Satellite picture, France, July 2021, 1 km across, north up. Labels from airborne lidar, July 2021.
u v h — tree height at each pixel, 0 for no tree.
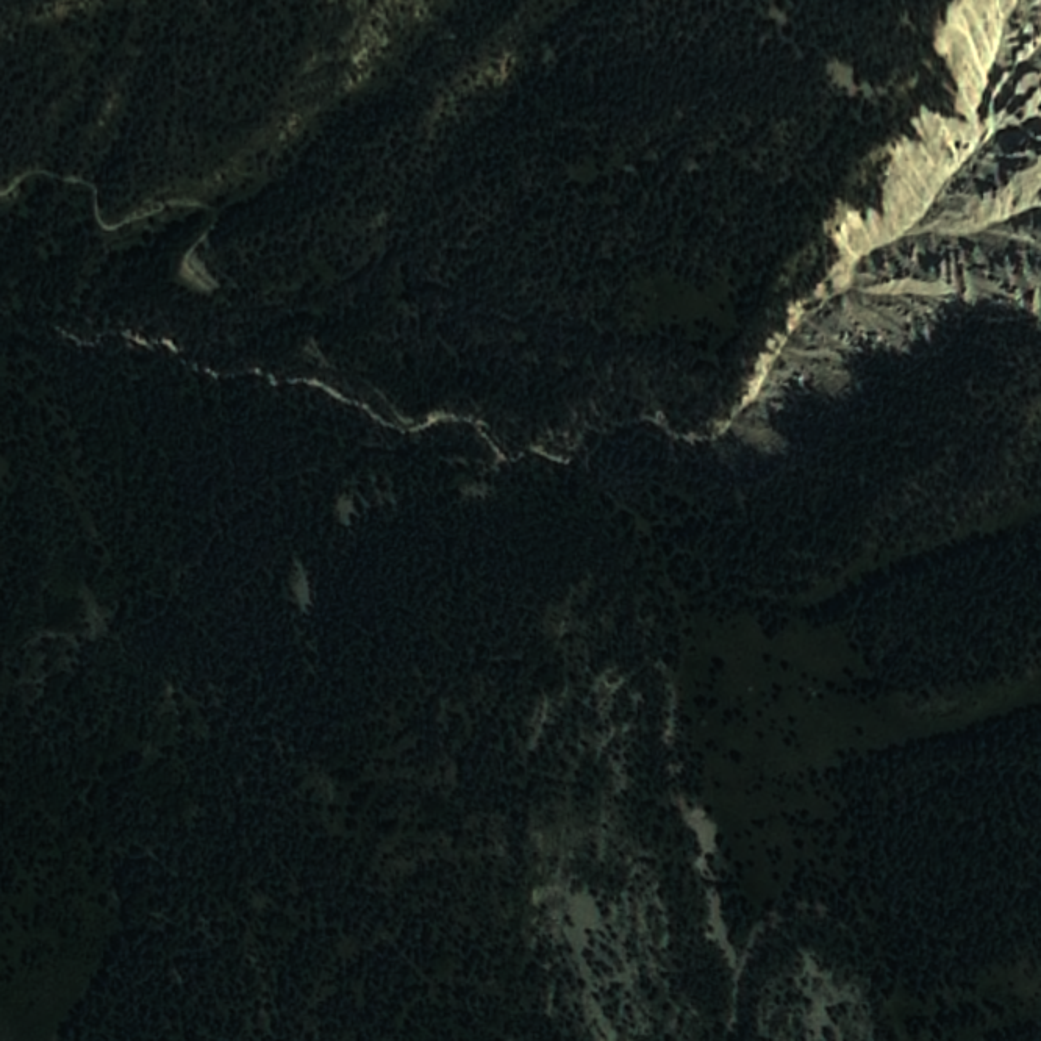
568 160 11
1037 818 21
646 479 18
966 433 16
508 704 9
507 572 13
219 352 17
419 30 7
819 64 16
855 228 0
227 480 16
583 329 17
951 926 22
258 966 7
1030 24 0
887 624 16
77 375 16
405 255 20
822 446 14
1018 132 0
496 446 11
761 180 16
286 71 6
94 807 17
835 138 17
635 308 7
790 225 13
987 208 0
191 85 14
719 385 18
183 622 13
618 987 10
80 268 13
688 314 0
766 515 14
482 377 19
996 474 14
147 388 15
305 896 12
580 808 7
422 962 15
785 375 0
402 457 13
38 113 12
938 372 11
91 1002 11
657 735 12
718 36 10
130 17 14
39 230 9
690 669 0
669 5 10
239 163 0
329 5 8
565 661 19
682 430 10
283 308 9
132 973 15
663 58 13
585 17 14
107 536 7
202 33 8
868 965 7
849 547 13
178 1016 16
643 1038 6
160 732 8
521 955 11
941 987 18
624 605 8
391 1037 16
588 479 14
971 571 20
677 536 11
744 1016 6
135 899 18
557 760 8
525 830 10
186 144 10
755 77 15
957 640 13
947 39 0
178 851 9
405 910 7
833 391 0
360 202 10
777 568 12
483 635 11
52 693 13
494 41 8
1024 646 19
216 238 11
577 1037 6
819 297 0
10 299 23
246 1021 16
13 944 12
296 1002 16
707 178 10
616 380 15
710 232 10
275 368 13
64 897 8
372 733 15
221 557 15
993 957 22
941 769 15
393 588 17
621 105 17
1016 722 9
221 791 14
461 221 10
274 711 10
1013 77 0
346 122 11
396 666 18
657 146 14
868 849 13
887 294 0
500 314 12
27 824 7
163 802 12
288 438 17
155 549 12
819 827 10
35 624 7
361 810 15
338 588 12
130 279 18
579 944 0
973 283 0
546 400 22
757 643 0
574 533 10
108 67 9
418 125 7
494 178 8
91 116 11
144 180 7
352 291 18
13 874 11
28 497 7
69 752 14
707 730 0
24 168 10
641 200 17
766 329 8
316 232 8
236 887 9
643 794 19
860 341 0
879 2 10
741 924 17
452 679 17
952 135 0
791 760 0
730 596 22
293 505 14
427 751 12
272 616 15
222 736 18
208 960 17
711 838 0
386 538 14
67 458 8
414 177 15
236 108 9
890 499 16
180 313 13
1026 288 0
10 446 12
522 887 7
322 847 17
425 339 21
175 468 14
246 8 13
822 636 0
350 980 8
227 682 13
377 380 12
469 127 8
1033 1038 23
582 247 11
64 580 11
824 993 0
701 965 7
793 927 15
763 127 10
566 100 15
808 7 12
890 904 9
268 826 19
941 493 15
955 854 24
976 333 11
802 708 0
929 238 0
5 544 6
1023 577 17
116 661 9
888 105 8
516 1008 7
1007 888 12
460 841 16
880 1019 8
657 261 13
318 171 11
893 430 11
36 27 8
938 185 0
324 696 11
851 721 0
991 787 23
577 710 7
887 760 13
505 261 16
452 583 11
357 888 13
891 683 10
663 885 9
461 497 21
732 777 0
